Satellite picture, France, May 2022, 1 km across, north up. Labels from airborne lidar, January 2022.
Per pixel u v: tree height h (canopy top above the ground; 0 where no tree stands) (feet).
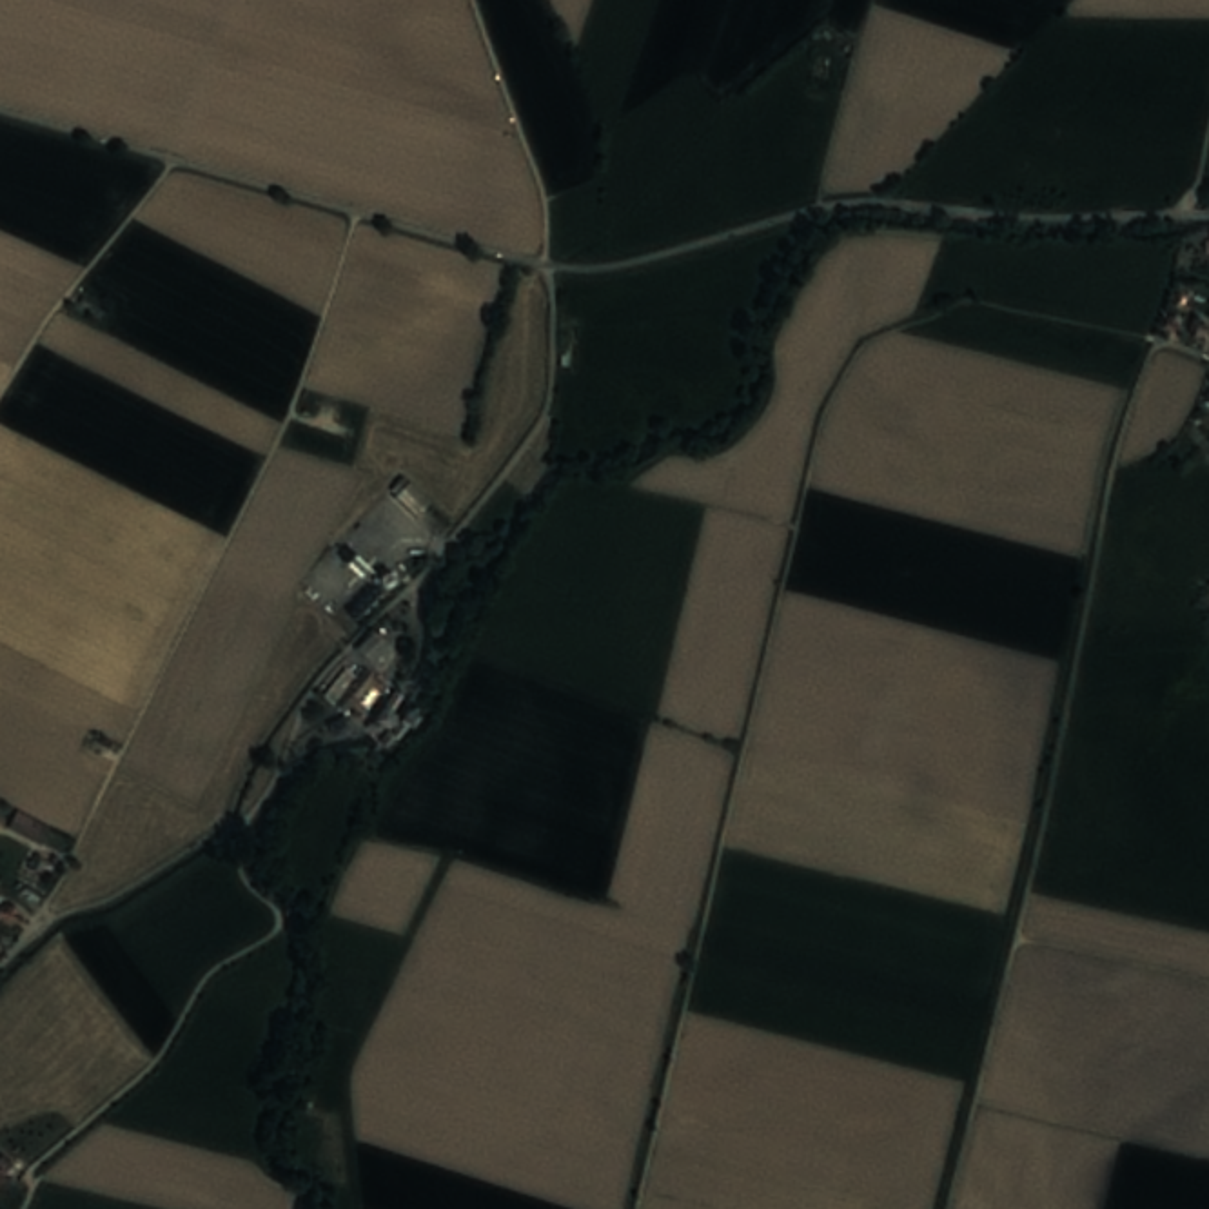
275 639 0
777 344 0
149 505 0
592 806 0
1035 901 0
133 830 0
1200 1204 0
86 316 22
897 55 0
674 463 0
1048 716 0
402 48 0
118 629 0
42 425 0
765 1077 0
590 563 0
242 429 0
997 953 0
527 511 48
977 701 0
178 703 0
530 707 0
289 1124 24
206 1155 0
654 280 0
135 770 0
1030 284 0
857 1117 0
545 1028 0
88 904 0
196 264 0
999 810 0
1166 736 0
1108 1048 0
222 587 0
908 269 0
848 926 0
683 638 0
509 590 0
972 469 0
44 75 0
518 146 0
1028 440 0
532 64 0
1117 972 0
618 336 0
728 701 0
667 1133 0
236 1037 0
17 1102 0
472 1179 0
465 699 0
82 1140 0
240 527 0
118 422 0
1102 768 0
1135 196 0
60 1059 0
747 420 37
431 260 0
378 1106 0
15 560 0
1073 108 0
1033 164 0
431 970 0
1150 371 0
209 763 0
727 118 0
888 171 0
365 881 0
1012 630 0
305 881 0
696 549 0
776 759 0
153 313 0
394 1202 0
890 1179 0
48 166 0
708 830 0
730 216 0
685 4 0
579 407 0
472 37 0
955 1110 0
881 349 0
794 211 0
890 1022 0
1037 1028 0
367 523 0
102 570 0
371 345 0
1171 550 0
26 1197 0
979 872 0
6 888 0
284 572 0
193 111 0
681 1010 0
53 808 0
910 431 0
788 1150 0
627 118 0
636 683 0
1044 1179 0
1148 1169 0
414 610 0
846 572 0
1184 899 0
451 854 0
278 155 0
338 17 0
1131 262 0
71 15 0
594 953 0
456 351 0
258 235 0
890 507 0
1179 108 0
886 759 0
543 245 0
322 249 0
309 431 0
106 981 0
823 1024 0
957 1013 0
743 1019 0
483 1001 0
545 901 0
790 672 0
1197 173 0
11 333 0
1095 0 0
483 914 0
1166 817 0
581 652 0
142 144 0
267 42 0
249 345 0
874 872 0
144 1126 0
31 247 0
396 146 0
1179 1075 0
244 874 0
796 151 0
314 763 49
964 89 0
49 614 0
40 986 0
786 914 0
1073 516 0
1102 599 0
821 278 0
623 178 0
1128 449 0
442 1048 0
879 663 0
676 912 0
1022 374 0
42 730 0
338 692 0
